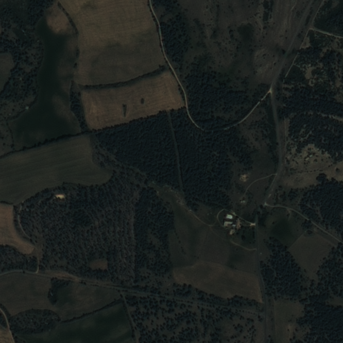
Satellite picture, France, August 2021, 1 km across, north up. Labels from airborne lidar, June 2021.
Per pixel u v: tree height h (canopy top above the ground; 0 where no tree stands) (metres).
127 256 13
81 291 0
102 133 12
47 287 0
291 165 0
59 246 14
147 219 13
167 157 13
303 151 0
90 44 0
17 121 0
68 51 0
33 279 0
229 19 0
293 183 0
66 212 11
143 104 0
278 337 0
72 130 0
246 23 0
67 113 0
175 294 11
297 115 7
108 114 0
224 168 13
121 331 0
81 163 0
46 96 0
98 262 0
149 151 11
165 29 12
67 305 0
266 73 0
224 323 0
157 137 14
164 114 11
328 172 0
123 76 0
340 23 9
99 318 0
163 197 0
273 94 0
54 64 0
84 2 0
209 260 0
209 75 7
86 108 0
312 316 11
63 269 13
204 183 15
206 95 16
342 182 9
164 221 10
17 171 0
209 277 0
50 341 0
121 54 0
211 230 0
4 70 0
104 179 0
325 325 16
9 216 0
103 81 0
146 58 0
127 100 0
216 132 14
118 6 0
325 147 7
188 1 0
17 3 0
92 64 0
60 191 14
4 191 0
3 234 0
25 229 11
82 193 15
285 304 0
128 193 13
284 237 0
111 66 0
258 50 0
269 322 0
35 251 0
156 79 0
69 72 0
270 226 0
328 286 8
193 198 8
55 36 0
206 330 10
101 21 0
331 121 10
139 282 9
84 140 0
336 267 8
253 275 0
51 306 0
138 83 0
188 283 0
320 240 0
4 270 13
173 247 0
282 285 11
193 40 0
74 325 0
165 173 13
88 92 0
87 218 8
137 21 0
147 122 13
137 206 14
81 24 0
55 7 0
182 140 13
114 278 12
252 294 0
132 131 12
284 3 0
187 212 0
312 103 14
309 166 0
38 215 13
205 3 0
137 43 0
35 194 0
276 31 0
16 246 0
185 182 11
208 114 10
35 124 0
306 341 10
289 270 11
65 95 0
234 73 0
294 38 0
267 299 0
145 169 11
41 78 0
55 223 13
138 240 11
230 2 0
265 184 0
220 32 0
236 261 0
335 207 13
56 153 0
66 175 0
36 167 0
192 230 0
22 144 0
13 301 0
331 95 12
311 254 0
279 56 0
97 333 0
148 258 8
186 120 7
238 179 0
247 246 0
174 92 0
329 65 7
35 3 11
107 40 0
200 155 12
